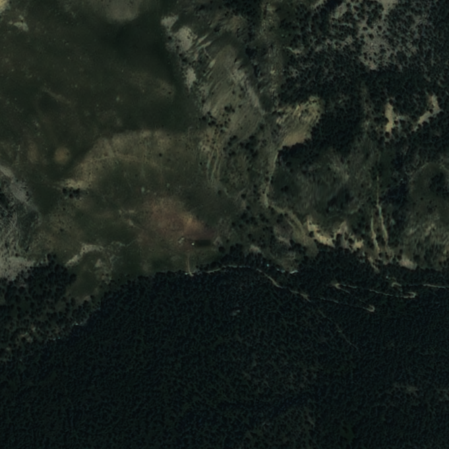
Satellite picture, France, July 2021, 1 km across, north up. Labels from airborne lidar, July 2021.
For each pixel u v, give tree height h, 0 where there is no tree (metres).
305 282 14
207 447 9
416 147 15
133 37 0
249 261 19
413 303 10
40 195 0
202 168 0
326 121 18
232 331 16
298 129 0
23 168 0
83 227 0
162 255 0
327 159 0
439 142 21
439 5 15
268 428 22
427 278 9
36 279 16
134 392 7
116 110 0
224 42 0
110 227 0
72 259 0
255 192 10
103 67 0
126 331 7
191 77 0
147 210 0
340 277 18
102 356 18
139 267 0
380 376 19
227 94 0
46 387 7
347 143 16
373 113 15
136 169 0
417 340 17
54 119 0
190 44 0
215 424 21
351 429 0
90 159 0
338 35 13
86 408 18
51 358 21
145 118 0
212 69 0
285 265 0
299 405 18
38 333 15
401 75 14
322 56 9
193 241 0
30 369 23
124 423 10
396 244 10
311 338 24
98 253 0
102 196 0
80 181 0
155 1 0
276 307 8
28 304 0
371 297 8
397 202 9
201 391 20
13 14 0
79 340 24
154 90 0
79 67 0
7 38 0
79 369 15
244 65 0
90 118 0
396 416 29
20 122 0
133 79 0
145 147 0
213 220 0
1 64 0
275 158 0
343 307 15
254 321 21
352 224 0
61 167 0
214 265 18
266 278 6
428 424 21
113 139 0
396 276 17
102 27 0
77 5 0
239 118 0
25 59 0
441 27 13
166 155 0
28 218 0
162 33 0
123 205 0
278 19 0
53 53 0
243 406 7
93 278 0
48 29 0
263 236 7
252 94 0
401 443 13
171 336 14
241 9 10
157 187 0
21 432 18
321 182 23
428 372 19
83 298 0
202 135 0
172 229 0
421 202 0
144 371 10
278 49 0
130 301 16
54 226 0
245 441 13
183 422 12
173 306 14
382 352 18
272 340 11
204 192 0
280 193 0
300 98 10
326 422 28
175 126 0
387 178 0
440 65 9
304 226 0
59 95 0
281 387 18
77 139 0
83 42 0
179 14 0
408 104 20
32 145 0
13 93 0
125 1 0
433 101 0
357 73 18
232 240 0
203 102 8
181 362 7
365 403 24
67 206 0
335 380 23
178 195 0
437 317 17
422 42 13
